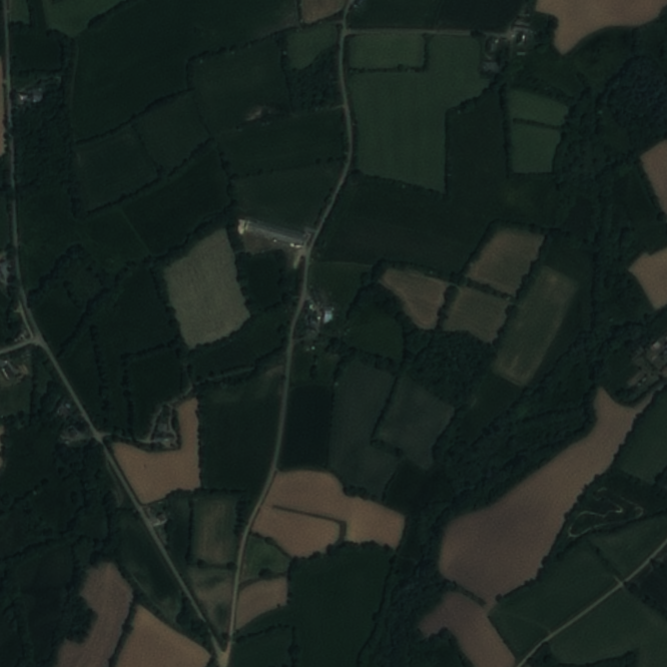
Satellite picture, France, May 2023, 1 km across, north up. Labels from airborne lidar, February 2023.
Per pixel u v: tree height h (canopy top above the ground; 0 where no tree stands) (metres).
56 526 0
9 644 0
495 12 0
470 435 0
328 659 0
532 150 0
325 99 8
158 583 0
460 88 0
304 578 0
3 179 8
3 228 0
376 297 20
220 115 0
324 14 0
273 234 0
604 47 0
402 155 0
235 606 0
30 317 0
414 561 0
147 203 0
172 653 0
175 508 0
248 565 0
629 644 0
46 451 0
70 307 0
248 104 0
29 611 0
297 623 0
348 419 0
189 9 0
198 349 13
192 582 0
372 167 0
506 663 0
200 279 0
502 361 0
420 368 11
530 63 0
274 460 0
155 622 0
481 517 0
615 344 15
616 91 16
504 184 0
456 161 0
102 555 15
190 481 0
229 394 0
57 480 0
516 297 7
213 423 0
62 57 12
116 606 0
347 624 0
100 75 0
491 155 0
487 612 0
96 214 8
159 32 0
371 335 0
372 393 0
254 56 0
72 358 0
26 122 9
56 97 9
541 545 0
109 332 0
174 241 0
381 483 0
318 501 0
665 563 0
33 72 7
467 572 0
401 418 0
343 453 0
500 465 0
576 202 0
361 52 0
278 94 0
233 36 0
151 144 0
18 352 6
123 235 0
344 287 0
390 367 19
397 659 15
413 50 0
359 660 8
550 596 0
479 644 0
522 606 0
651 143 9
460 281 17
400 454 14
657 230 0
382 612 9
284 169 0
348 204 0
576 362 7
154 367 0
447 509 7
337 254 0
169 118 0
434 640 16
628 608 0
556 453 8
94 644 0
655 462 0
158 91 0
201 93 0
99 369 12
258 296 0
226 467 0
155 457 0
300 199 0
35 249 0
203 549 0
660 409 0
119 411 0
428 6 0
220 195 0
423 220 0
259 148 0
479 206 0
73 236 0
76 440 0
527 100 0
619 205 0
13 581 11
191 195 0
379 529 0
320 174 0
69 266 17
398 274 0
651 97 20
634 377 0
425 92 0
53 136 9
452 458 16
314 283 0
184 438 0
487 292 11
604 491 0
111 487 0
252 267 0
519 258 0
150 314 0
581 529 0
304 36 0
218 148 7
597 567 0
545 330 0
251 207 0
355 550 12
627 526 6
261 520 0
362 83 0
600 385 9
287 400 0
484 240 9
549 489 0
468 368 8
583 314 0
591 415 18
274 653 0
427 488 0
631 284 8
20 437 0
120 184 0
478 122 0
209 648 8
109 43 0
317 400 0
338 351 11
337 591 0
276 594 0
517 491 0
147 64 0
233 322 0
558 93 9
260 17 0
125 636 7
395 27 0
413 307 0
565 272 0
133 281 0
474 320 0
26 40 0
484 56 0
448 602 0
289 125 0
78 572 15
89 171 0
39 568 0
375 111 0
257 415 0
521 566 0
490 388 0
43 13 0
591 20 0
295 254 0
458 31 0
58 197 0
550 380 11
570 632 0
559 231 14
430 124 0
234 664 0
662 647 0
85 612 10
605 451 0
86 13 0
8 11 0
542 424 10
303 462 0
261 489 0
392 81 0
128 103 0
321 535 0
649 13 0
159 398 0
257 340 0
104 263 0
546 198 0
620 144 0
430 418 0
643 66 22
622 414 0
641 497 0
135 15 0
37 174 7
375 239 0
